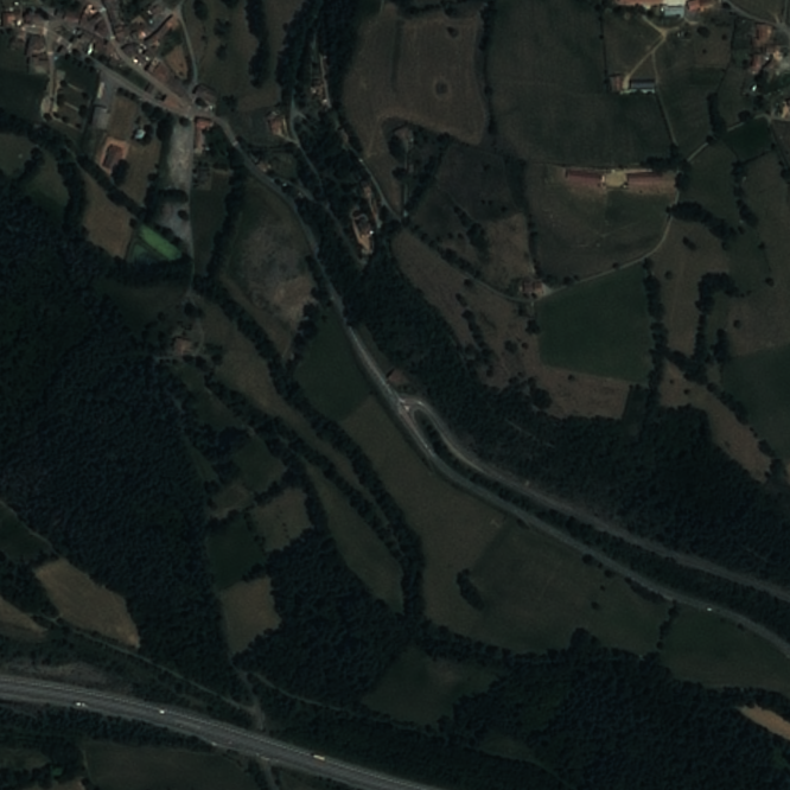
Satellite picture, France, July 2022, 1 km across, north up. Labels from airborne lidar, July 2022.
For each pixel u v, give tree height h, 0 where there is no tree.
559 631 0
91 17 0
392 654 11
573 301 0
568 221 0
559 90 0
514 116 0
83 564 26
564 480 9
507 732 19
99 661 8
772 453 11
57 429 30
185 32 0
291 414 0
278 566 27
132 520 31
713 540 22
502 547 0
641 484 14
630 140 0
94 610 0
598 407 0
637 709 17
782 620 11
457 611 0
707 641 0
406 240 0
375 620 25
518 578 0
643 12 10
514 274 0
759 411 0
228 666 7
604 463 11
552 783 20
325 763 0
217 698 12
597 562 14
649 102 0
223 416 0
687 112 0
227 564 0
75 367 23
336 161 26
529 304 0
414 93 0
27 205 22
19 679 0
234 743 0
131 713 0
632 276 0
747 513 28
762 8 0
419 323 16
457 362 10
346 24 25
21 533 0
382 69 0
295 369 9
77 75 0
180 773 0
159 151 0
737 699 21
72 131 0
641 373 0
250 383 0
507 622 0
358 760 7
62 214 0
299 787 0
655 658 18
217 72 0
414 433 0
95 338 19
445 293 0
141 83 0
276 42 0
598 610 12
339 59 21
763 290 0
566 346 0
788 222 0
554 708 7
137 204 18
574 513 0
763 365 0
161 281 11
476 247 10
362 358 0
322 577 30
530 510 12
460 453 0
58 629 11
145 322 0
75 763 23
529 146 0
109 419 22
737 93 0
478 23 0
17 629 0
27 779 13
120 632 0
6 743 11
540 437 7
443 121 0
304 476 31
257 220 0
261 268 0
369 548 0
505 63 0
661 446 7
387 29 0
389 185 0
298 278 0
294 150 14
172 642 15
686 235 0
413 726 11
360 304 15
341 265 15
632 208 0
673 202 0
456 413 6
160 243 0
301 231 0
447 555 0
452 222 0
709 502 7
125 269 27
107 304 12
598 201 0
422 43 0
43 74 0
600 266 0
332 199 24
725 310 0
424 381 12
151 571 19
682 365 18
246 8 0
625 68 0
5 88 0
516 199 0
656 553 7
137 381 27
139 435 23
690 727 24
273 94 0
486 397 9
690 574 11
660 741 19
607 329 0
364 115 0
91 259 24
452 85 0
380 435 0
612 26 0
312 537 24
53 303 7
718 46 0
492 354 13
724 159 0
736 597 17
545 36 0
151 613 17
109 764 0
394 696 0
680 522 30
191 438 17
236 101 8
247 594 0
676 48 0
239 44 0
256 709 0
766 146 0
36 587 15
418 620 22
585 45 0
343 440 17
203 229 0
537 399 9
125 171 18
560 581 0
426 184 19
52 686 0
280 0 0
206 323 0
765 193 0
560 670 22
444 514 0
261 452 0
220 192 0
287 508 0
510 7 0
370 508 19
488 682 0
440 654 9
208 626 15
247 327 19
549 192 0
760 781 12
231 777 0
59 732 7
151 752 0
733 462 6
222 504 0
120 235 0
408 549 21
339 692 19
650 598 15
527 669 19
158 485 29
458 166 0
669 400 0
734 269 0
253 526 10
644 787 19
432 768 14
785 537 24
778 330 0
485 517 0
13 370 8
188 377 0
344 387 0
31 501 17
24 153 0
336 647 6
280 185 13
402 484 0
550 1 0
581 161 0
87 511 27
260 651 20
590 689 21
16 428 12
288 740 7
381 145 0
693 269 0
